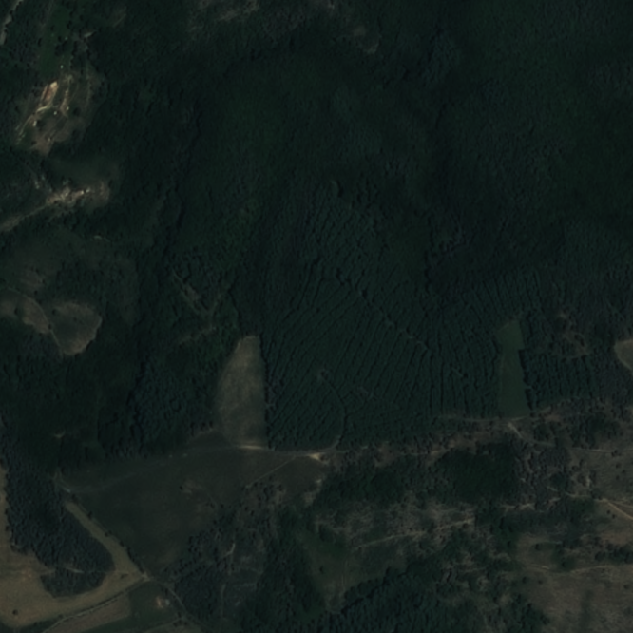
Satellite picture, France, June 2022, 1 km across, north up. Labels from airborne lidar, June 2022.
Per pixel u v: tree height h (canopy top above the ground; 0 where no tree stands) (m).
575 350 11
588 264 30
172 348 24
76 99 0
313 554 0
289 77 21
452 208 23
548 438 14
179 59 19
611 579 0
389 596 34
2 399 16
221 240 7
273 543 13
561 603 0
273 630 18
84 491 0
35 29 10
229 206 18
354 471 13
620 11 21
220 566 16
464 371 20
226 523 8
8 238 19
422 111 33
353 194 22
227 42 20
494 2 14
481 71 17
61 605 0
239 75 21
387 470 12
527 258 18
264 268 28
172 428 22
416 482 14
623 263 22
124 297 7
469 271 15
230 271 7
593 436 16
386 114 15
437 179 23
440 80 31
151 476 0
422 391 22
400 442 7
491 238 22
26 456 15
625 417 10
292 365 22
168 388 31
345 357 17
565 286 9
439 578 18
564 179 12
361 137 26
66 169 0
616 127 19
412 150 10
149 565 0
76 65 8
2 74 18
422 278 11
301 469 0
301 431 18
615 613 0
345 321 22
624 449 0
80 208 8
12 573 0
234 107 17
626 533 0
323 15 10
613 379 18
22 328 8
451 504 9
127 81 7
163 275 22
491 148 15
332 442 11
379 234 23
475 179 21
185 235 20
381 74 28
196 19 7
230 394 0
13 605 0
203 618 8
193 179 26
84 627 0
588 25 19
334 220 33
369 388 16
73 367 13
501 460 11
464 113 18
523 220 13
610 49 22
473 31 14
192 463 0
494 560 6
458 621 14
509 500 6
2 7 11
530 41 10
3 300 0
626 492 0
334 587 0
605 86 23
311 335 15
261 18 14
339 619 16
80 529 14
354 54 22
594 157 20
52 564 8
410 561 11
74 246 13
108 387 12
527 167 11
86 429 8
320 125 22
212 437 0
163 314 23
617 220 19
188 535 0
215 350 10
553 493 14
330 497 8
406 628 29
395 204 20
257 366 0
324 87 18
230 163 17
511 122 21
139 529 0
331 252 32
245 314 17
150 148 14
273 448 14
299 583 26
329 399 19
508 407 0
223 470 0
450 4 28
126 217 20
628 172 23
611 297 9
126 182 9
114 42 11
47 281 9
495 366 19
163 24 10
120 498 0
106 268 6
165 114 33
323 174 24
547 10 11
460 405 20
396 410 18
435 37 29
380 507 9
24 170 10
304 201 25
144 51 11
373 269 29
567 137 17
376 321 20
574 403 8
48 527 12
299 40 26
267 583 15
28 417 16
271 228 24
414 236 9
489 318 20
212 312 20
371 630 30
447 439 12
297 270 20
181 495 0
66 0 11
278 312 19
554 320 15
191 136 20
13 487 17
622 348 0
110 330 18
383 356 18
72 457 17
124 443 18
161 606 0
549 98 16
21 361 17
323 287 20
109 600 0
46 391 21
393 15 16
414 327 19
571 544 8
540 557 0
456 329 24
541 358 23
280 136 17
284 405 23
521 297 18
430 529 7
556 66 11
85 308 0
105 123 9
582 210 18
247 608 8
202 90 29
